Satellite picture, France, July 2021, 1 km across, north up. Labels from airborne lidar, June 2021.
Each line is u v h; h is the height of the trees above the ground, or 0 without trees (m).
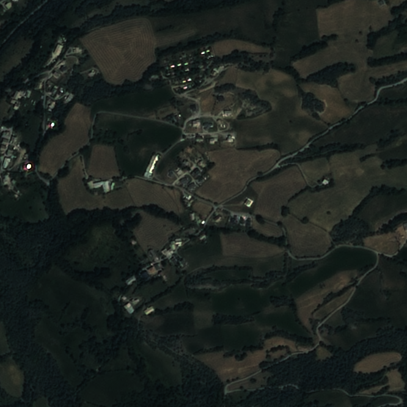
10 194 7
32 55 15
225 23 0
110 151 0
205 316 0
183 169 8
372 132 0
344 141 0
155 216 15
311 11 0
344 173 0
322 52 0
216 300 0
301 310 0
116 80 0
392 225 7
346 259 0
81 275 19
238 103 0
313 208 0
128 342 18
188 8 9
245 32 0
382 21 0
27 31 12
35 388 17
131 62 0
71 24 0
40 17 15
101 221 17
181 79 6
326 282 0
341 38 0
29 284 14
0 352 0
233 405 8
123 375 0
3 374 0
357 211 8
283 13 10
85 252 0
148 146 0
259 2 0
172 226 0
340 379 12
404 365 8
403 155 0
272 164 0
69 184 0
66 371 0
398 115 0
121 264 0
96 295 0
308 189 6
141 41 0
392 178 0
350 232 7
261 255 0
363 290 0
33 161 11
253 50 0
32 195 0
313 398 0
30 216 0
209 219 0
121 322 15
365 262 0
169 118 10
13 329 14
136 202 0
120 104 0
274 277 12
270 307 0
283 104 0
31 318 8
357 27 0
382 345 13
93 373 8
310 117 0
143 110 0
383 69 0
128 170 0
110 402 0
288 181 0
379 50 0
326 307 0
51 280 0
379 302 0
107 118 0
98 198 0
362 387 8
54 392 16
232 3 16
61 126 11
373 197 6
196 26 0
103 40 0
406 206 0
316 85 0
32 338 9
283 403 13
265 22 0
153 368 0
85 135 0
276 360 8
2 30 7
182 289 0
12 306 11
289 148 0
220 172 0
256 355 0
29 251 15
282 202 0
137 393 6
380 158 0
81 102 7
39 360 15
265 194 0
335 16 0
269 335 10
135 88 8
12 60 0
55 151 0
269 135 0
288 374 10
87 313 6
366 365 0
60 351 0
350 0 0
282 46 0
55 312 0
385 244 0
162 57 8
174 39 0
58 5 12
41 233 18
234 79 0
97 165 0
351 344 0
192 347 0
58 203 18
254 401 6
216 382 8
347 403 0
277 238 9
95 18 10
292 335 8
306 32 0
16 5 6
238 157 0
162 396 11
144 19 0
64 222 17
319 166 0
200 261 0
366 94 0
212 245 0
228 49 0
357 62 0
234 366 0
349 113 0
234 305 0
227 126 0
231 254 0
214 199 0
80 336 0
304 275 0
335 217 0
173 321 0
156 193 0
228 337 0
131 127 0
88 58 8
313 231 0
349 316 7
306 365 13
